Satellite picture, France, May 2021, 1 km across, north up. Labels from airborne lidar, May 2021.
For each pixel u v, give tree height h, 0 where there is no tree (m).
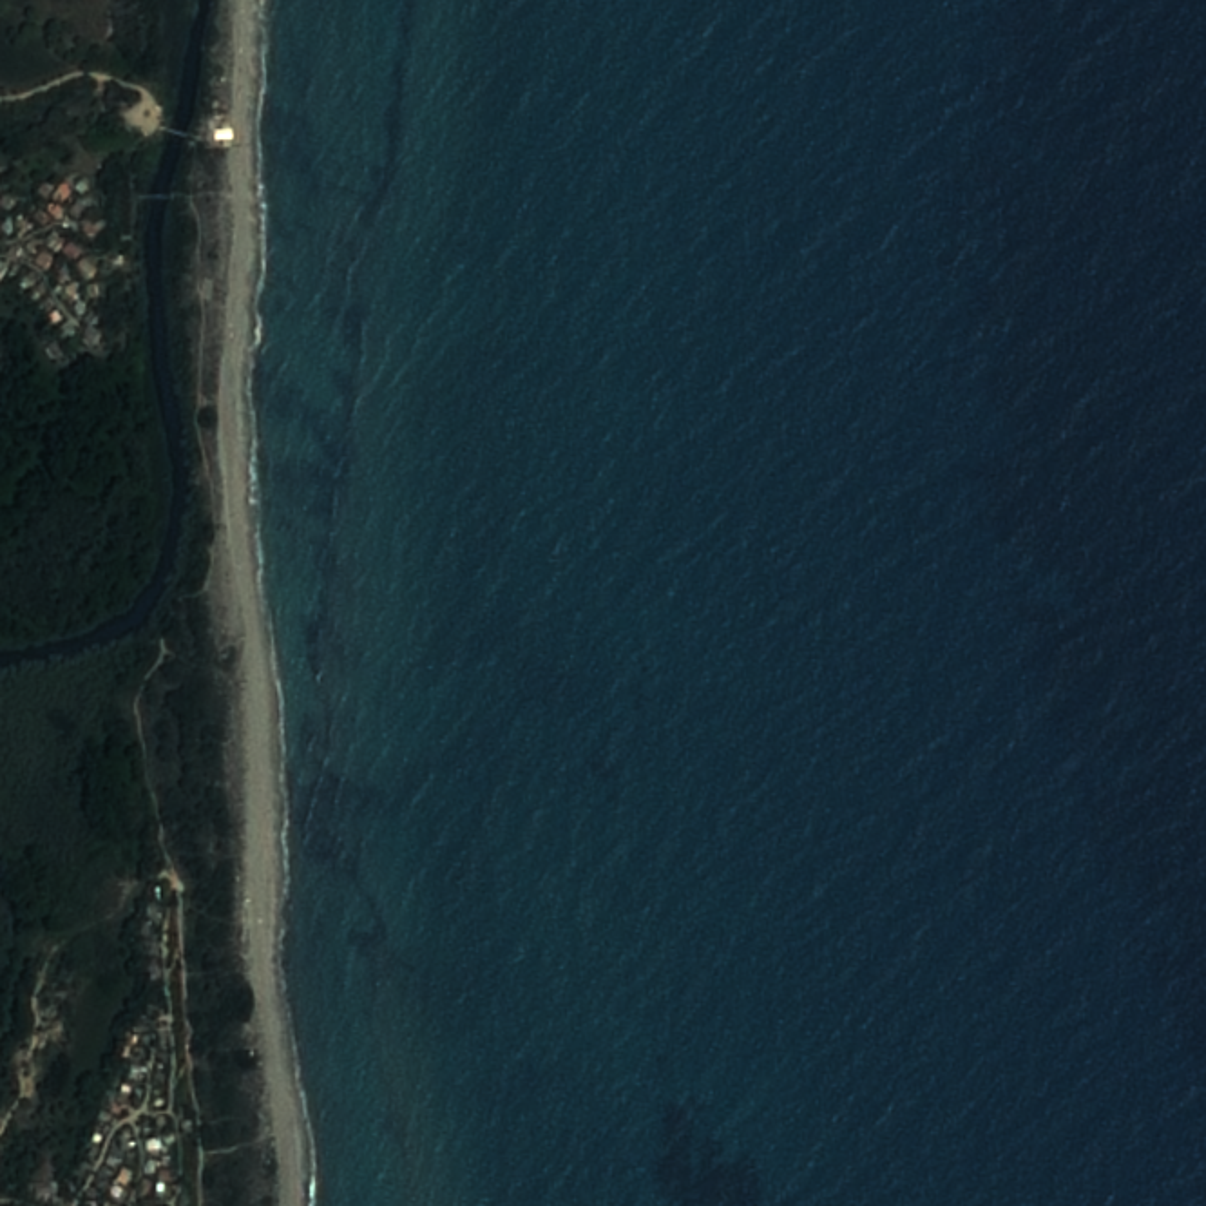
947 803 0
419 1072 0
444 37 0
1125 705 0
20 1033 6
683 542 0
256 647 0
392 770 0
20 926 13
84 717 6
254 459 0
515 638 0
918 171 0
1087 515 0
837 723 0
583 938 0
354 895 0
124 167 8
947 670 0
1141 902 0
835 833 0
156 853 7
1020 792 0
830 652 0
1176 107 0
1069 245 0
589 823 0
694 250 0
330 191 0
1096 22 0
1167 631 0
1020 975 0
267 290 0
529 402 0
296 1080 0
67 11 0
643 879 0
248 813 0
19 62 0
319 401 0
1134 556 0
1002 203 0
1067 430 0
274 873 0
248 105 0
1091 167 0
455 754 0
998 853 0
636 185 0
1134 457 0
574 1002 0
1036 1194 0
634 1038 0
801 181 0
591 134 0
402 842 0
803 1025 0
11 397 21
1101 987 0
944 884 0
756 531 0
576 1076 0
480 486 0
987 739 0
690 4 0
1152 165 0
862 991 0
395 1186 0
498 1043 0
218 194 0
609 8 0
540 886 0
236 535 0
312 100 0
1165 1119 0
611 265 0
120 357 8
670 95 0
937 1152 0
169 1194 0
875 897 0
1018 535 0
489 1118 0
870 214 0
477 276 0
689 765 0
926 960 0
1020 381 0
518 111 0
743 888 0
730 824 0
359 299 0
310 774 0
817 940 0
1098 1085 0
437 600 0
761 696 0
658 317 0
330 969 0
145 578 10
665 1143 0
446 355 0
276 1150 0
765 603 0
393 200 0
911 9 0
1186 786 0
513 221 0
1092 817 0
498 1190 0
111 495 16
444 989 0
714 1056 0
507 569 0
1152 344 0
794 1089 0
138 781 6
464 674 0
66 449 28
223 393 0
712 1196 0
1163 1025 0
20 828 7
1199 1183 0
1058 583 0
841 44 0
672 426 0
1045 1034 0
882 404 0
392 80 0
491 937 0
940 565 0
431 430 0
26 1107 7
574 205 0
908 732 0
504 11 0
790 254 0
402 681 0
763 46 0
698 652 0
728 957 0
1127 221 0
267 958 0
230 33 0
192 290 0
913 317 0
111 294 9
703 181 0
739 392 0
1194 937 0
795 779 0
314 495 0
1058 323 0
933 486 0
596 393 0
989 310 0
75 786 15
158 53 6
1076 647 0
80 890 6
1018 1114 0
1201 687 0
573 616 0
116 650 7
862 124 0
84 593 8
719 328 0
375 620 0
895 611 0
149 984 7
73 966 7
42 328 13
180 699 7
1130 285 0
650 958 0
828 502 0
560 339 0
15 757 6
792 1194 0
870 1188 0
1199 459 0
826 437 0
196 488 6
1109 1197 0
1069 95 0
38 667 7
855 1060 0
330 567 0
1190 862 0
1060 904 0
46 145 11
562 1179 0
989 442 0
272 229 0
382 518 0
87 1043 0
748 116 0
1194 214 0
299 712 0
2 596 17
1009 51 0
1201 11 0
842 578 0
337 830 0
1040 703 0
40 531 14
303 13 0
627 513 0
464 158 0
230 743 0
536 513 0
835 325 0
